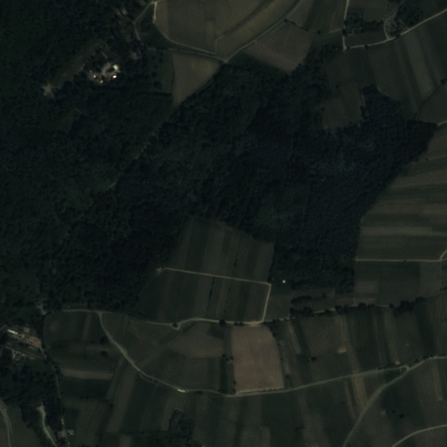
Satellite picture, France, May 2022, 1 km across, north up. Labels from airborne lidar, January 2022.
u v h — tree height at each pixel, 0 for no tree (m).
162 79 0
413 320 0
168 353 0
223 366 0
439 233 0
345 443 0
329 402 0
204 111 18
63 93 18
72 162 10
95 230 23
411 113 0
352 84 0
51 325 0
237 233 0
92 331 0
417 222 0
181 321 0
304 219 24
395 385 0
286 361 0
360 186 22
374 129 20
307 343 0
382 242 0
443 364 0
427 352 0
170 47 0
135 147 24
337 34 0
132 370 0
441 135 0
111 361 0
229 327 0
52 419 26
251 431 0
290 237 19
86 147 24
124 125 27
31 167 19
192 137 26
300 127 26
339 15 0
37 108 24
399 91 0
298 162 21
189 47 0
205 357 0
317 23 0
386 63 0
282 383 0
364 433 0
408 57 0
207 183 15
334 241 19
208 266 0
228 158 25
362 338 0
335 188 20
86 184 23
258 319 0
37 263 17
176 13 0
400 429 0
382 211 0
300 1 0
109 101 24
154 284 0
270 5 0
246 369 0
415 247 0
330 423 0
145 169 27
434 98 0
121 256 24
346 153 24
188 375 0
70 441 0
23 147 29
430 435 0
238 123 21
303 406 0
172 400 0
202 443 0
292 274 15
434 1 0
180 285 0
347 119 0
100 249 15
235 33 0
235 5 0
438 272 0
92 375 0
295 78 19
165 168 21
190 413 0
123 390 0
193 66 0
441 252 0
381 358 0
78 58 0
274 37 0
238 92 23
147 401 0
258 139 26
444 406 0
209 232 0
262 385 0
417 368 0
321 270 19
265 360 0
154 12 0
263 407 0
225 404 0
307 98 22
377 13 0
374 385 0
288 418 0
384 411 0
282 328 0
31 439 0
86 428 0
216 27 0
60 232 20
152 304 0
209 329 0
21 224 25
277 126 29
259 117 26
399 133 21
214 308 0
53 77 22
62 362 0
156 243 24
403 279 0
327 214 19
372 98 23
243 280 0
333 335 0
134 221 20
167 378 0
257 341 0
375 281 0
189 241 0
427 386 0
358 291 0
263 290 0
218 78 18
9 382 26
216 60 0
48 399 25
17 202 23
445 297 0
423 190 0
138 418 0
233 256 0
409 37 0
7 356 9
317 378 0
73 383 0
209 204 21
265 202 22
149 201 10
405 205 0
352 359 0
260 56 0
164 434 6
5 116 26
